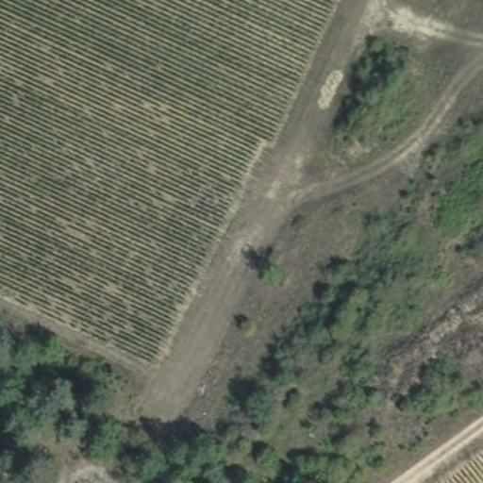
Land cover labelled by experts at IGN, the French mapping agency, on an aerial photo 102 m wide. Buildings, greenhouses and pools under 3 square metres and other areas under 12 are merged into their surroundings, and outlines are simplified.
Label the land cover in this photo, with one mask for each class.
<instances>
[{"label":"vineyard","instance_id":"1","mask_svg":"<svg viewBox=\"0 0 483 483\"><path fill-rule=\"evenodd\" d=\"M341 0H0V332L9 330L13 326L19 330L30 323L45 326L49 330L55 325V321L62 319V315H70V325H81V332L91 334L92 338L102 343H115L117 349L125 351L130 357L153 360L157 357L160 341L166 338L168 328L172 326L175 306L183 304L185 294L191 289L192 279L196 277V268L206 257L204 245L211 243L215 238V232L219 230V225L223 223L225 211L228 209L225 194L236 191L240 183L247 185L264 149L275 147L279 142L283 126L289 121L294 100L298 98L304 79L308 77L317 49L323 43L334 15L338 13ZM421 483H483V436L475 438L464 449H460L451 460L440 464L434 470V474L428 475Z\"/></svg>","mask_w":483,"mask_h":483},{"label":"herbaceous vegetation","instance_id":"2","mask_svg":"<svg viewBox=\"0 0 483 483\"><path fill-rule=\"evenodd\" d=\"M392 30L408 32L409 36L404 40V45L423 53V72L406 77V81H411L415 91L423 96V102L419 104V115L423 119L421 123H411L404 132L381 134L374 147L368 149L360 143H353V132L345 126H340V130L332 126V119L338 109L334 96L345 77V72L349 70V64L364 53L366 36ZM483 70V32L458 28L430 17L415 15L411 9L402 6V0H341L338 13L334 15L323 43L317 49L308 77L304 79L298 98L294 100L289 121L283 126L279 142L275 147L264 149L247 185L240 183L236 191L225 194L228 209L225 211L223 223L219 225V230L215 232V238L211 243L204 245L206 257L196 268V277L192 279L191 289L185 294L183 304L175 306L172 326L168 328L166 338L160 341L157 357L153 360L130 357L125 351L117 349L115 343H102L92 338L91 334L81 332V325H70V315H62V319L55 321V325L49 330L55 334L62 338L64 351H70L75 355H100L108 362H117L132 372L128 375V383L115 381L113 385H109L111 411L108 415H113L119 421L140 419L143 430L153 443H157L162 455L174 453L175 449L185 445L191 438H198L200 434L202 428H215V423L219 419V409L225 402L238 404L241 413H245L249 411V396H253L255 392L264 394V387L260 383L266 377L275 379L281 374V364L275 358L277 351H285L292 347L294 338H308L315 328H330L340 323V311L349 302L357 287L353 281L341 283L334 302L323 304L328 283L317 281L319 264L328 262L330 257L347 260L353 258L364 215L385 213L394 206L396 198L400 196L398 192L406 187L409 177H413L417 172L419 158L423 155L426 145L434 142L438 136H445L449 126L457 123L451 117L449 109L455 106L458 94ZM451 279V287H436L428 292L426 317L423 323L408 330L406 338L391 334L394 340L379 349L377 368L374 375H370L366 381L370 387H374V392L381 394V398L385 400H392L398 409H404V406L408 402H413L419 394H428L432 391V375H438L441 379L449 377L451 383L460 379V375L470 383L483 381V249L475 247L468 251V255L457 253V257L451 260L449 268L445 270ZM49 453L55 455L53 460L47 462L49 472L40 479L30 477L23 479L21 483H119L104 470V466H94L91 460L83 457L79 441L62 438L57 441L53 434L45 445Z\"/></svg>","mask_w":483,"mask_h":483},{"label":"brushwood","instance_id":"3","mask_svg":"<svg viewBox=\"0 0 483 483\"><path fill-rule=\"evenodd\" d=\"M409 36L408 32L392 30L366 36L364 53L349 64V70L345 72V77L334 96L338 109L332 119V126L340 130V126H345L353 132V143H360L368 149L374 147L381 134L404 132L411 123H421L423 119L419 115V104L423 102V96L415 91L411 81H406V77L423 72V53L404 45V40ZM451 117L457 123L449 126L445 136H438L434 142L426 145L423 155L419 158L417 172L413 177H409L406 187L398 192L400 196L396 198L394 206L385 213L364 215L353 258L347 260L330 257L328 262L319 264L317 281L328 283L323 304L334 302L341 283L353 281L357 287L349 302L340 311V323L330 328H315L308 338H294L292 347L285 351H277L275 358L281 364V374L275 379L266 377L260 383L264 387V394L255 392L253 396H249V411L245 413H241L238 404L225 402L219 409V419L240 423V426L228 428L221 445L228 449L225 458L228 464H238L247 470V477L243 483H264L266 479L275 477L279 472L281 457L287 455V451L300 447L340 453L336 462L319 458L306 460L298 466L300 472H313L317 479H328L330 483H391L394 477L404 474L415 462L432 453L443 441L449 440L464 426L470 425L477 417L483 415V381L470 383L460 375V379L451 383L449 377L441 379L438 375H432V391L428 394H419L413 402H408L404 406V409H398L392 400H385L381 398V394L374 392V387H370L366 381L370 375H374L377 368L379 349L394 340L391 334L406 338L408 330L423 323L426 317L428 292L436 287H451V279L445 270L449 268L451 260L457 257V253L468 255V251L475 247L483 249V70L458 94L455 106L449 109Z\"/></svg>","mask_w":483,"mask_h":483},{"label":"coniferous trees","instance_id":"4","mask_svg":"<svg viewBox=\"0 0 483 483\"><path fill-rule=\"evenodd\" d=\"M55 334L49 330L45 326L30 323L19 330L13 326L9 330L13 353H19L21 347L30 343L49 345V340ZM132 372L117 362H108L100 355H75L70 351H64V355L58 358L57 362L36 364L32 372L26 375L23 394L15 402H9L0 408V483H21L23 479L30 477L40 479L49 472L47 462L53 460L55 455L49 453L45 445L53 434L57 441L62 438L79 441L83 457L91 460L94 466H104V470L119 483H132L140 477L143 464L149 458L162 460V455L157 443H153L143 430L140 419L119 421L113 415H108L111 411L109 385H113L115 381L128 383V375ZM240 426V423L219 419L215 423V428H202L200 434H206L217 445H221L228 428Z\"/></svg>","mask_w":483,"mask_h":483},{"label":"deciduous trees","instance_id":"5","mask_svg":"<svg viewBox=\"0 0 483 483\"><path fill-rule=\"evenodd\" d=\"M64 355V351L62 338L55 334L49 340V345L30 343L21 347L19 353H13L9 330L0 332V408L9 402H15L23 394L26 375L32 372L36 364L57 362L58 358ZM228 449L221 445H217L206 434H200L198 438H191L185 445L175 449L174 453L162 455V460L149 458L143 464L140 477L132 483H243L247 477V470L238 464H228L225 458ZM340 453L300 447L287 451V455L281 457L279 472L275 477L266 479L264 483H330L328 479H317L313 472H300L298 466L306 460L319 458L336 462Z\"/></svg>","mask_w":483,"mask_h":483},{"label":"agricultural land","instance_id":"6","mask_svg":"<svg viewBox=\"0 0 483 483\"><path fill-rule=\"evenodd\" d=\"M402 6L411 9L415 15L430 17L458 28L483 32V0H402Z\"/></svg>","mask_w":483,"mask_h":483},{"label":"pervious surface","instance_id":"7","mask_svg":"<svg viewBox=\"0 0 483 483\"><path fill-rule=\"evenodd\" d=\"M483 436V415L477 417L470 425L464 426L449 440L443 441L432 453L415 462L404 474L394 477L391 483H421L428 475L434 474V470L440 464L451 460L460 449H464L475 438Z\"/></svg>","mask_w":483,"mask_h":483}]
</instances>
